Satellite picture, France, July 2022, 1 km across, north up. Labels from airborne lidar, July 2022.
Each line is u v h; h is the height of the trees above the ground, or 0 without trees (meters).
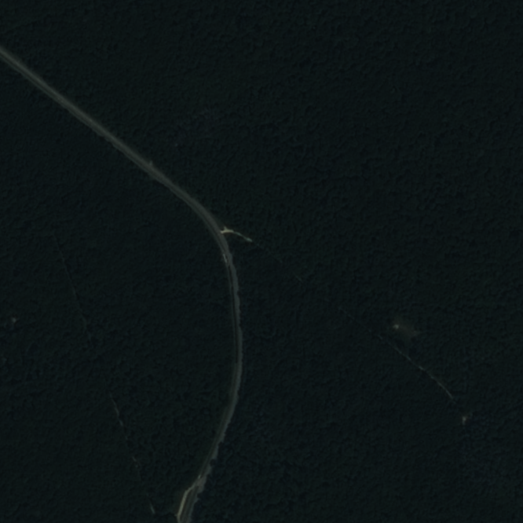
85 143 24
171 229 22
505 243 27
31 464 26
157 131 22
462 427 19
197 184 21
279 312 19
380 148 27
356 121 26
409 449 21
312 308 25
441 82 27
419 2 23
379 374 19
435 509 20
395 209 24
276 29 23
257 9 26
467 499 18
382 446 17
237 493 25
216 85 18
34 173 19
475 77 30
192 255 14
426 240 25
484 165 27
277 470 25
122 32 23
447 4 21
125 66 16
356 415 27
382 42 28
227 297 20
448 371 23
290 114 30
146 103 24
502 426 27
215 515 25
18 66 0
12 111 21
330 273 27
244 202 21
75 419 25
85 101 19
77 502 24
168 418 27
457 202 25
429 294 26
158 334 25
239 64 23
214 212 18
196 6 22
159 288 26
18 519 24
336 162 27
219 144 23
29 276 23
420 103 29
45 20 22
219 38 22
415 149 32
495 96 27
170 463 19
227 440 11
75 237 26
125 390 22
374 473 23
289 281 19
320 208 24
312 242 25
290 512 22
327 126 30
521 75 27
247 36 26
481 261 28
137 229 18
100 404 21
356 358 21
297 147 27
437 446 23
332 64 26
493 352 29
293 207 22
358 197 27
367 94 26
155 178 0
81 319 20
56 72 19
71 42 26
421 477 22
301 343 20
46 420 28
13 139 19
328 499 21
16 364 24
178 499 0
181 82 21
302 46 24
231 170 20
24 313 23
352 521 18
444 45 27
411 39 26
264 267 19
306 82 23
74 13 24
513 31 25
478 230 25
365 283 25
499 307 25
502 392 26
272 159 24
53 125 23
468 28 30
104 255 25
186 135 24
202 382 24
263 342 22
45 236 18
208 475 0
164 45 19
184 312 25
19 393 24
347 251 23
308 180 25
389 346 17
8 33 18
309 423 27
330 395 22
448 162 27
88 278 24
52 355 20
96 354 19
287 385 26
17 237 25
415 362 18
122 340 25
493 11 25
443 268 26
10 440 25
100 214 19
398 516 26
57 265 22
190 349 27
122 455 24
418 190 22
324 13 25
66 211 24
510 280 26
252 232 22
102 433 25
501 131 24
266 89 15
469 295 22
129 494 23
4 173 23
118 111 21
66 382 20
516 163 28
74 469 23
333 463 25
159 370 29
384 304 22
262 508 27
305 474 23
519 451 24
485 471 27
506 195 26
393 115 31
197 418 24
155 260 17
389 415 21
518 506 21
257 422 28
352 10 23
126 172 21
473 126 27
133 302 24
